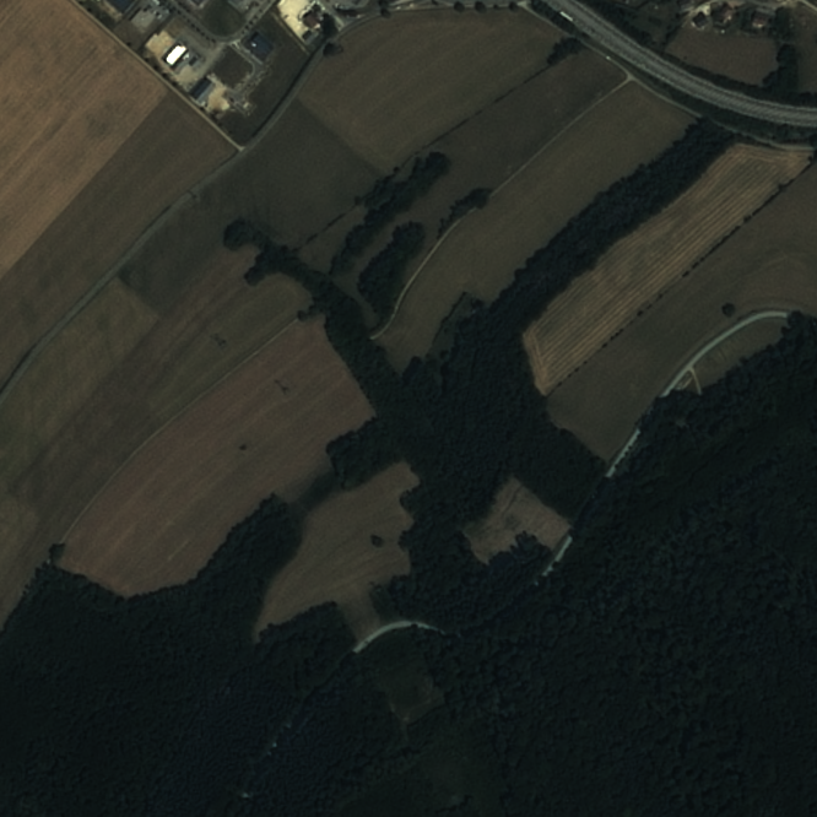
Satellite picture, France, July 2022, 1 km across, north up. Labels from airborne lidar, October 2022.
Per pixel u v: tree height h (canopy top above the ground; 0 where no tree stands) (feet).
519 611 88
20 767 50
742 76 0
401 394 57
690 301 0
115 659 55
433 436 58
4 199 0
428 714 18
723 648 75
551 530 0
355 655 50
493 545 0
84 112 0
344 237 0
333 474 0
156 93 0
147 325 0
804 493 39
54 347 0
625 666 83
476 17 0
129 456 0
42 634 51
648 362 0
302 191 0
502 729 69
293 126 0
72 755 45
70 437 0
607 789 67
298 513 0
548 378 0
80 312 0
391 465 38
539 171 0
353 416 0
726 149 40
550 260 57
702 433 72
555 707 61
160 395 0
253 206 0
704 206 0
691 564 73
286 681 79
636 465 55
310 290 29
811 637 46
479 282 0
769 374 56
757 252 0
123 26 0
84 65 0
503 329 66
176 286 0
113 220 0
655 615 81
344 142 0
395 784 24
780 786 63
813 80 0
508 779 69
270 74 0
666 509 26
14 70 0
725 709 36
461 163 0
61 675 55
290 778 74
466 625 77
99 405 0
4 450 0
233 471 0
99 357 0
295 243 0
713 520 68
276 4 0
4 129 0
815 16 0
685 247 0
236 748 75
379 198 32
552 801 62
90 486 0
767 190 0
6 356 0
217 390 0
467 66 0
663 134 0
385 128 0
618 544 29
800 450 19
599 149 0
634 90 0
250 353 0
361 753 31
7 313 0
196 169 0
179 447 0
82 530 0
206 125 0
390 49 0
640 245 0
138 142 0
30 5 0
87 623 44
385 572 0
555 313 0
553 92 0
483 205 36
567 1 0
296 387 0
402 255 53
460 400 70
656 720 74
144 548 0
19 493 0
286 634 66
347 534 0
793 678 55
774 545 76
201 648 52
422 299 0
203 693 70
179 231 0
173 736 65
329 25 44
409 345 0
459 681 65
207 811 86
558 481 46
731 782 90
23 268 0
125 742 62
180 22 0
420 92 0
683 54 0
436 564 67
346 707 74
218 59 0
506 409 52
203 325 0
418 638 61
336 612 58
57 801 59
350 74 0
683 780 92
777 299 0
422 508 36
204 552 0
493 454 62
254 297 0
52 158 0
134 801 57
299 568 0
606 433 0
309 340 0
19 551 0
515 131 0
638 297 0
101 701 67
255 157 0
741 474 21
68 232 0
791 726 53
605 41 0
